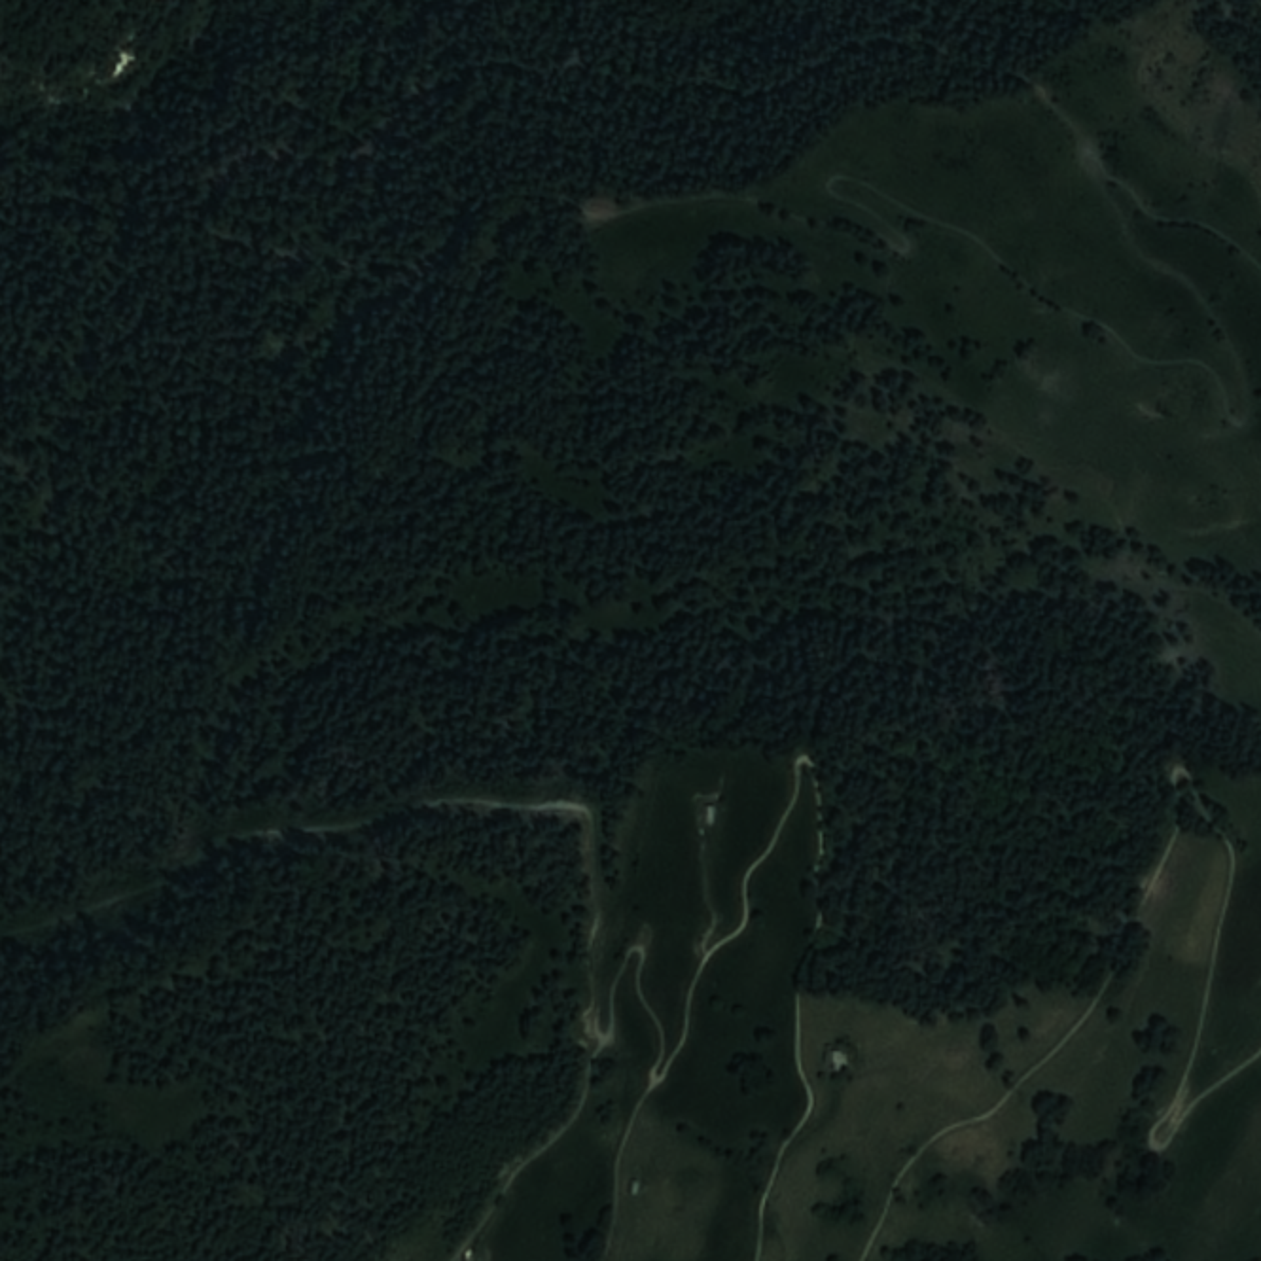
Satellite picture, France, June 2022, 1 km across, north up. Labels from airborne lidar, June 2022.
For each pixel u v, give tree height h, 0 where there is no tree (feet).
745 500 87
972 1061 0
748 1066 73
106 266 94
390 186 111
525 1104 46
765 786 0
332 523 101
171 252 98
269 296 107
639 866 28
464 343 73
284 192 121
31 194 122
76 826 96
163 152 100
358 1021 71
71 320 108
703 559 57
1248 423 0
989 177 0
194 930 67
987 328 0
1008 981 90
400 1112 76
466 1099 68
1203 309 0
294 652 64
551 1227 0
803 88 90
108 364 124
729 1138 0
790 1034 0
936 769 85
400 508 95
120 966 90
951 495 76
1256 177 0
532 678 65
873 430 0
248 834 0
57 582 64
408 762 56
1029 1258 0
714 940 0
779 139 105
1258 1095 0
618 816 55
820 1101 0
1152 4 76
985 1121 0
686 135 101
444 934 70
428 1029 65
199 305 119
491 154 77
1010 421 0
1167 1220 0
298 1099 79
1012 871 87
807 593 31
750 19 65
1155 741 67
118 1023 67
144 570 110
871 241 54
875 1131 0
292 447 99
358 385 109
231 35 53
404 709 43
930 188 0
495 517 71
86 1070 0
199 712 88
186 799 78
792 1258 0
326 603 78
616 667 94
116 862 102
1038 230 0
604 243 0
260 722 93
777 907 0
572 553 76
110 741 108
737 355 45
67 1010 48
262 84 105
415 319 99
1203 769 40
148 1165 28
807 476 73
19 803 100
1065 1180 37
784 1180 0
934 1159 0
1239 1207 0
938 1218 0
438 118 100
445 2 53
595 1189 0
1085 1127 0
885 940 73
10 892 99
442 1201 37
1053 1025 0
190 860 0
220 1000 70
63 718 122
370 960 75
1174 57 25
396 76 102
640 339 33
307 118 82
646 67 93
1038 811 29
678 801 0
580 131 109
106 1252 49
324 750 88
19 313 110
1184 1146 0
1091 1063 0
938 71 81
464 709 83
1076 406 0
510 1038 0
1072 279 0
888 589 53
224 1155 70
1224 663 0
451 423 73
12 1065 35
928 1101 0
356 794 86
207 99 97
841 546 82
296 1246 69
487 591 0
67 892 74
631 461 41
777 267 68
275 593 107
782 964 0
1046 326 0
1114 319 0
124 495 116
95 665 107
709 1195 0
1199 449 0
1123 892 95
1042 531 0
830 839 24
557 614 77
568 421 35
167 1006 73
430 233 72
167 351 119
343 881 30
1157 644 84
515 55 116
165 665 116
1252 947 0
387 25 56
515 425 71
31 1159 38
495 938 50
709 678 91
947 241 0
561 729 49
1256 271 0
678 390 35
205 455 90
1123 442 0
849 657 84
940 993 85
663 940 0
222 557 89
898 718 69
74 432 113
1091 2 114
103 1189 73
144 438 96
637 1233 0
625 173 95
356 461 118
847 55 56
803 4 101
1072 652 31
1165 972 0
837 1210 45
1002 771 59
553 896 69
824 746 55
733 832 0
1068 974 44
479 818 49
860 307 57
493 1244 0
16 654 101
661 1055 0
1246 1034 0
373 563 76
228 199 120
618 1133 0
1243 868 0
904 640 76
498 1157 41
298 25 45
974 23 114
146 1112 0
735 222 0
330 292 101
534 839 73
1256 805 0
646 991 0
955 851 91
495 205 102
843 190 0
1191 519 0
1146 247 0
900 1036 0
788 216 51
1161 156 0
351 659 87
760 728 81
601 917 0
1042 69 106
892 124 0
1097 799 88
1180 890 0
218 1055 72
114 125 52
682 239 0
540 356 38
